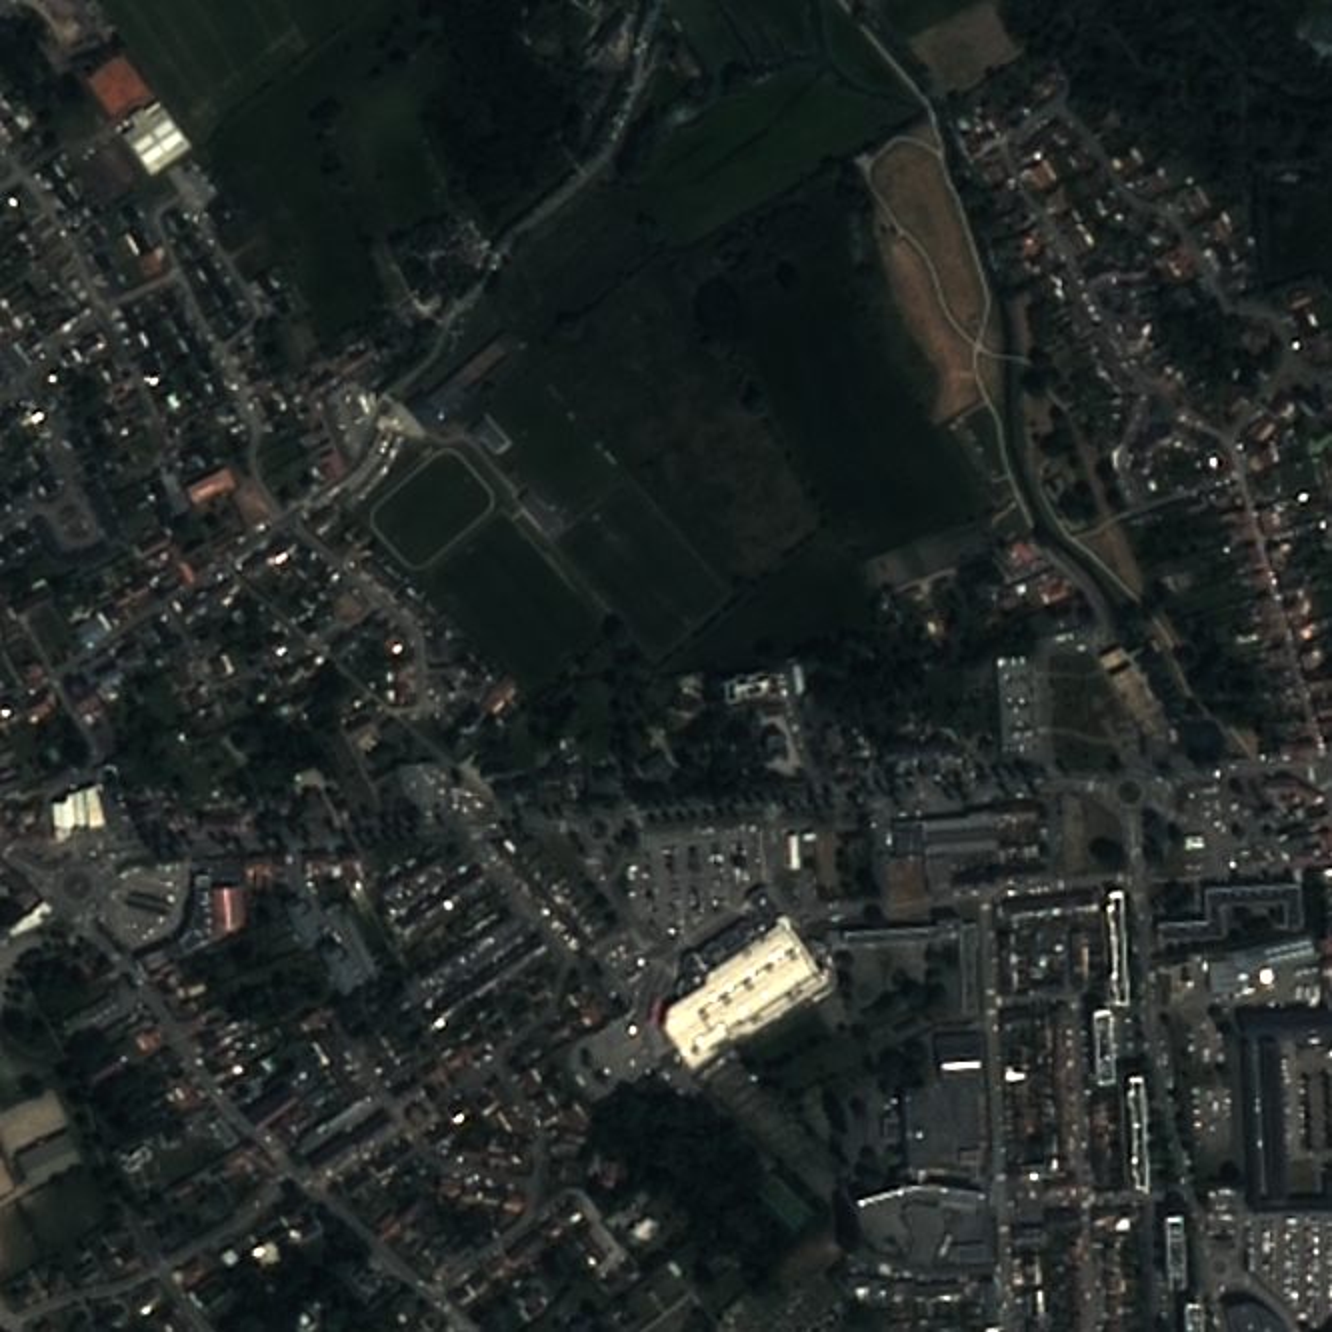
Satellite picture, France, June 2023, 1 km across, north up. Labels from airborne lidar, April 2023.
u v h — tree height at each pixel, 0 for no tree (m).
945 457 0
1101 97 7
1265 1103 0
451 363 0
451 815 0
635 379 0
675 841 0
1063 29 6
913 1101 0
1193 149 0
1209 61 16
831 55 0
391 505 0
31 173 0
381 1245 0
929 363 0
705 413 0
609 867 0
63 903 0
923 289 0
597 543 0
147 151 0
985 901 0
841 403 0
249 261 0
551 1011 0
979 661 6
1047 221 0
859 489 0
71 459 0
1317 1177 0
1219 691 13
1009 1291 0
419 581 0
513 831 0
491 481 0
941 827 0
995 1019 0
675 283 0
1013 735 0
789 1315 0
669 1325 0
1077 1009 0
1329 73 6
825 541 0
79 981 16
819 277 0
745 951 0
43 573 0
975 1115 0
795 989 0
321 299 0
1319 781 0
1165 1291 0
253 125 0
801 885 0
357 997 12
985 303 0
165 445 0
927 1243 0
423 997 0
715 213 0
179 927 0
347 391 0
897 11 0
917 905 0
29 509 0
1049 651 0
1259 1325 0
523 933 0
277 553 0
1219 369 6
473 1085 0
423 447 0
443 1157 0
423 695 0
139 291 0
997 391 0
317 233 0
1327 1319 0
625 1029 0
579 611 0
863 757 0
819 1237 0
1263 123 16
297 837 0
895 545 0
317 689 6
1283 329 0
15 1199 0
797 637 0
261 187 0
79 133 0
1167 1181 8
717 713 15
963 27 0
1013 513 0
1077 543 0
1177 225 0
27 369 0
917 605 0
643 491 0
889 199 0
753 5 0
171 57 0
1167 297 8
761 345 0
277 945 0
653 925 0
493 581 0
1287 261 0
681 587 0
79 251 0
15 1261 0
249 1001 15
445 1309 0
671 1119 19
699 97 13
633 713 6
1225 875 0
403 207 0
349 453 0
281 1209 6
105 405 0
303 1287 12
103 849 0
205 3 0
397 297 0
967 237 0
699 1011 0
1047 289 0
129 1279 0
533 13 9
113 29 0
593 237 0
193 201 0
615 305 0
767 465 0
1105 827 0
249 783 9
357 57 0
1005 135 0
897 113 0
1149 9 13
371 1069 0
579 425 0
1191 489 0
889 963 0
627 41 0
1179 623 7
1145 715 0
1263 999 0
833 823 0
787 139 0
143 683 13
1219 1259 0
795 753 0
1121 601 0
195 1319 0
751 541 0
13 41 16
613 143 0
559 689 9
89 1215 0
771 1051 0
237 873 0
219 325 0
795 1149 0
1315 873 10
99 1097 6
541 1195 0
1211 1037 0
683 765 18
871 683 17
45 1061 0
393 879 0
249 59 0
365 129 0
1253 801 0
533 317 0
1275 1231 0
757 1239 15
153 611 0
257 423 0
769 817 0
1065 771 12
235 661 0
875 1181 16
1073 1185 0
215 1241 0
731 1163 17
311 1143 0
